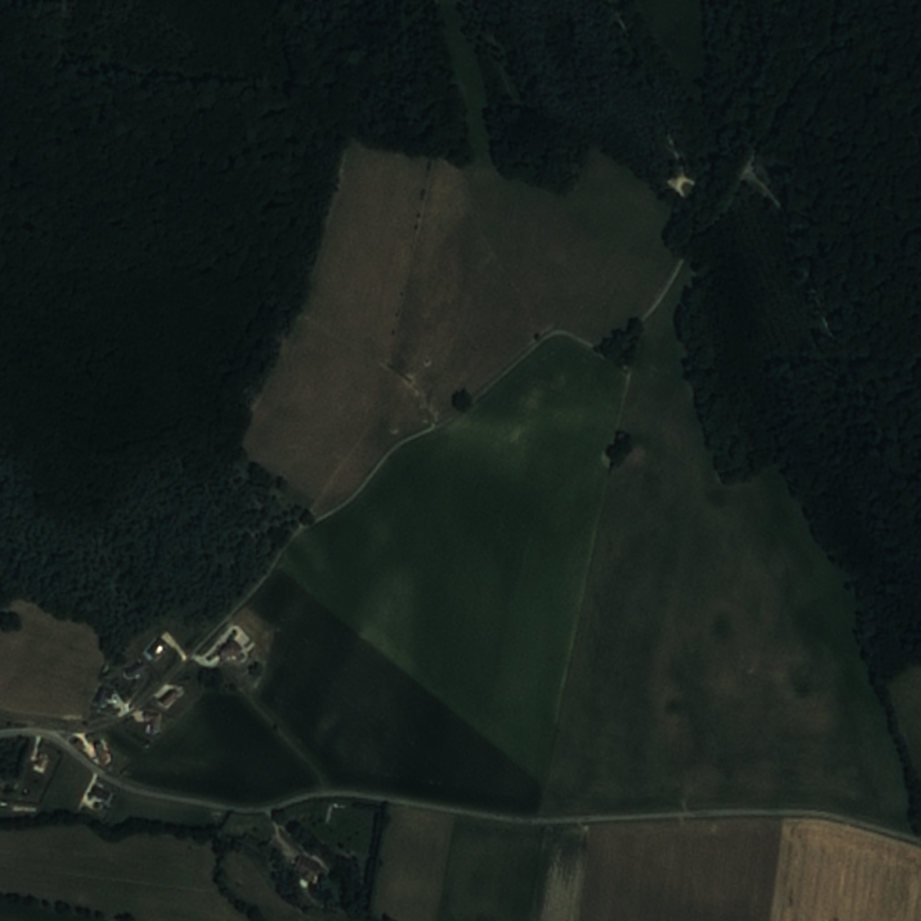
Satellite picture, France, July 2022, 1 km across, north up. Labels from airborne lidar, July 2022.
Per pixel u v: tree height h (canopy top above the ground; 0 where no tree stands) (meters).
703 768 0
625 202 0
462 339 0
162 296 19
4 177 27
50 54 27
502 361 0
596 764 0
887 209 29
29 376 21
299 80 31
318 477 0
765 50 23
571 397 0
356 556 0
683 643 0
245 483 15
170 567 17
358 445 0
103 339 18
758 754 0
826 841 0
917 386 25
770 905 0
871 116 32
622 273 0
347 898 16
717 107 20
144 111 27
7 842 0
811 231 27
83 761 0
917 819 19
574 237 0
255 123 31
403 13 27
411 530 0
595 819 0
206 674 11
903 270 29
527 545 0
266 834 0
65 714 0
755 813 0
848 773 0
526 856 0
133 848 0
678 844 0
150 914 0
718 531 0
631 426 0
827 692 0
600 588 0
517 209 0
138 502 19
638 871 0
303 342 0
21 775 13
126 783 0
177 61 8
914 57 27
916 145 26
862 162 30
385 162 0
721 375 8
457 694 0
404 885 0
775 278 6
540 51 23
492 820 0
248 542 17
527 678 0
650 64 25
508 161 23
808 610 0
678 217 15
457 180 0
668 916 0
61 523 20
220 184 30
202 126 33
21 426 25
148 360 17
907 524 21
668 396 0
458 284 0
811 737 0
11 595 17
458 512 0
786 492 0
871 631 27
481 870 0
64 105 22
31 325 20
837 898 0
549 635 0
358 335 0
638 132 25
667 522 0
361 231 0
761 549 0
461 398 14
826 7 28
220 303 11
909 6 28
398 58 26
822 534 19
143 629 15
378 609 0
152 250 28
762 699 0
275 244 31
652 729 0
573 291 0
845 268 31
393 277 0
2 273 20
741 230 7
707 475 0
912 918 0
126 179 27
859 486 27
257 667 11
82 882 0
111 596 14
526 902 0
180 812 0
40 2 25
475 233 0
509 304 0
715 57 16
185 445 26
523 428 0
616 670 0
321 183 24
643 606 0
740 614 0
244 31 9
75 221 30
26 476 25
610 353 21
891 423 30
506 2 21
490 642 0
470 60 0
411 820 0
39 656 0
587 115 23
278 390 0
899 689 0
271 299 24
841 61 28
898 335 25
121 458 24
